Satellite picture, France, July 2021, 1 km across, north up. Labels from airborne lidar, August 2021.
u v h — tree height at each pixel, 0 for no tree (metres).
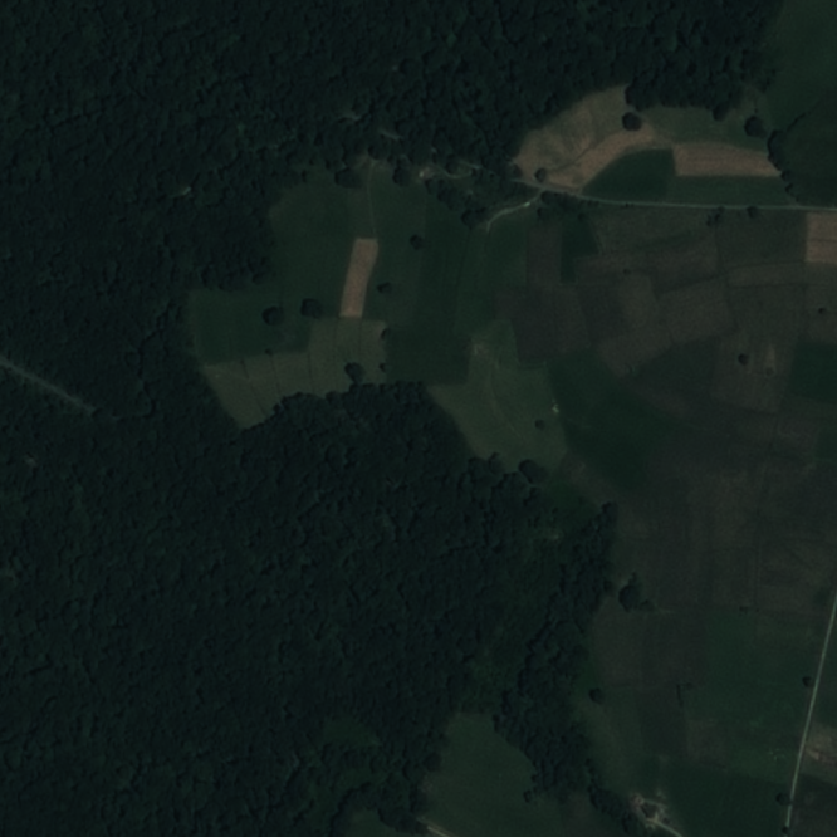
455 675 30
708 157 0
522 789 0
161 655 23
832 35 0
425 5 28
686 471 0
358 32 22
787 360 0
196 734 26
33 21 29
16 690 30
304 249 0
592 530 10
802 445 0
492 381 0
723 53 30
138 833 28
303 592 25
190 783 35
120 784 25
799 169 0
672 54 29
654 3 32
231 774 29
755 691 0
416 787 9
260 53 32
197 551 25
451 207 13
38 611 32
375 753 11
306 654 27
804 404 0
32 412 23
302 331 0
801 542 0
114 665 29
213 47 23
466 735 0
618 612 0
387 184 0
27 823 26
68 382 20
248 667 27
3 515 29
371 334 0
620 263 0
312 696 26
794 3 0
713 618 0
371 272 0
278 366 0
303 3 27
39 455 24
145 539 26
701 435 0
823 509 0
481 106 30
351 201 0
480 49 33
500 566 28
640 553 0
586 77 29
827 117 0
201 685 27
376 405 26
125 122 29
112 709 24
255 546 24
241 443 21
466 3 30
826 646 0
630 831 17
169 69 33
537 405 0
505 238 0
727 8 7
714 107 17
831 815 0
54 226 23
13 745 28
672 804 0
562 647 24
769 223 0
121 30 29
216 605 26
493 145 17
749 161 0
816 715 0
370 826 0
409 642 26
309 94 29
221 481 29
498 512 29
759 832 0
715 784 0
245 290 12
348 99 27
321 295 0
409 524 29
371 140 22
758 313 0
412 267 0
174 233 24
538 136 0
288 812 27
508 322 0
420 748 28
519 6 30
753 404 0
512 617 9
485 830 0
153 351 27
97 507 19
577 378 0
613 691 0
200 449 28
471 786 0
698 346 0
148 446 22
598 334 0
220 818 26
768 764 0
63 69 27
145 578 27
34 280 23
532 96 30
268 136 15
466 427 0
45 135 24
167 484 25
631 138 0
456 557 23
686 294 0
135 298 24
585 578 21
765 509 0
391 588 20
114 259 27
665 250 0
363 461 29
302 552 25
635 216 0
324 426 28
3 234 20
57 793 29
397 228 0
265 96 28
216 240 26
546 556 9
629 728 0
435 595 27
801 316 0
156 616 24
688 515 0
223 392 0
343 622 24
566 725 24
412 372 0
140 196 20
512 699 25
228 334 0
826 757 0
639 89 22
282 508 29
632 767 0
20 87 25
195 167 25
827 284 0
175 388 21
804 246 0
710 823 0
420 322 0
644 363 0
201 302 0
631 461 0
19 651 22
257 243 26
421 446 22
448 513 30
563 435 0
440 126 34
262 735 30
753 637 0
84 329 26
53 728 27
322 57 28
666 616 0
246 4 32
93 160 30
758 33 20
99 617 32
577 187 0
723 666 0
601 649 0
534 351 0
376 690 22
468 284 0
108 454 27
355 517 29
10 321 20
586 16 28
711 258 0
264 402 0
